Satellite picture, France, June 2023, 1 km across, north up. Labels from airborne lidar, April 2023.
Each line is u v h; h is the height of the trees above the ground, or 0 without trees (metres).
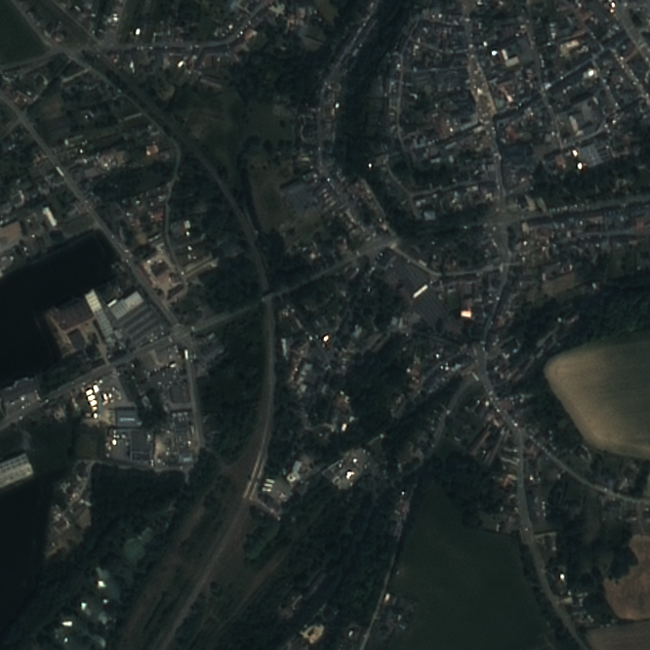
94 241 0
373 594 19
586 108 0
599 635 0
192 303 0
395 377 26
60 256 0
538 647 0
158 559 7
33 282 0
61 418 6
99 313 0
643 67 0
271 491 0
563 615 0
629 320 18
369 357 18
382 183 11
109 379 0
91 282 0
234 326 7
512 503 8
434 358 0
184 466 0
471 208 13
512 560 0
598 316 7
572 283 0
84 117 0
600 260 13
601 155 0
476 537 0
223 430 11
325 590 20
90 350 12
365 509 19
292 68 15
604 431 0
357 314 14
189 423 0
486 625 0
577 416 0
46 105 0
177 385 0
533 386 8
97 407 0
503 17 12
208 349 0
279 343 7
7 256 0
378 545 7
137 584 8
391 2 15
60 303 7
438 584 0
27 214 0
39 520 0
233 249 0
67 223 0
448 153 0
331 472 0
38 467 0
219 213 20
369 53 16
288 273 21
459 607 0
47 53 0
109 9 0
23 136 0
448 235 14
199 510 0
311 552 9
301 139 6
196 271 0
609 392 0
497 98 0
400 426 14
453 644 0
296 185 0
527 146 0
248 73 17
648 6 0
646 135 6
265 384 0
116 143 6
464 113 0
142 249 7
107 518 10
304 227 0
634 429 0
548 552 0
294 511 9
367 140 9
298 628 11
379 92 0
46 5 0
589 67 0
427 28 0
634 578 0
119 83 11
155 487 12
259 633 14
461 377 8
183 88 6
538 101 0
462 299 0
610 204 0
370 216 10
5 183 12
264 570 0
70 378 0
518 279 0
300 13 0
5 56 0
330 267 0
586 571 0
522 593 0
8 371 0
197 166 18
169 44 0
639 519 0
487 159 0
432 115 0
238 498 0
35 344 0
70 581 31
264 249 18
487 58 0
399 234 13
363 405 22
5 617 0
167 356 0
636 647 0
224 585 0
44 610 21
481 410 0
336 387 12
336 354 7
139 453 0
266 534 18
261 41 0
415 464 12
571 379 0
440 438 0
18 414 0
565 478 7
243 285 23
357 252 0
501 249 0
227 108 0
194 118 0
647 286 6
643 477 7
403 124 7
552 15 0
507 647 0
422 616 0
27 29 0
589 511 0
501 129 0
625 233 0
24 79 0
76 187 0
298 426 7
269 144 15
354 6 13
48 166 0
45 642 20
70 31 0
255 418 7
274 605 5
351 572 20
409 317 0
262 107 0
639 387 0
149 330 0
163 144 0
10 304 0
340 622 16
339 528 12
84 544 14
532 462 8
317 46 0
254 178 0
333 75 0
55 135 0
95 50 0
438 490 0
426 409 10
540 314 18
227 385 0
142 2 0
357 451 0
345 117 6
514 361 9
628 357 0
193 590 0
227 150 0
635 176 13
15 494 0
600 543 14
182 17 6
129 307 0
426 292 0
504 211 0
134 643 0
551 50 0
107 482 12
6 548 0
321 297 8
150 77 8
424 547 0
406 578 0
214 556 0
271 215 0
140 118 0
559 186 8
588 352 0
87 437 0
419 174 18
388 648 0
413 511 12
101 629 17
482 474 19
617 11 0
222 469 0
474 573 0
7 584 0
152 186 0
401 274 0
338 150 14
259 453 0
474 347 0
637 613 0
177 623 0
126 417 0
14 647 35
